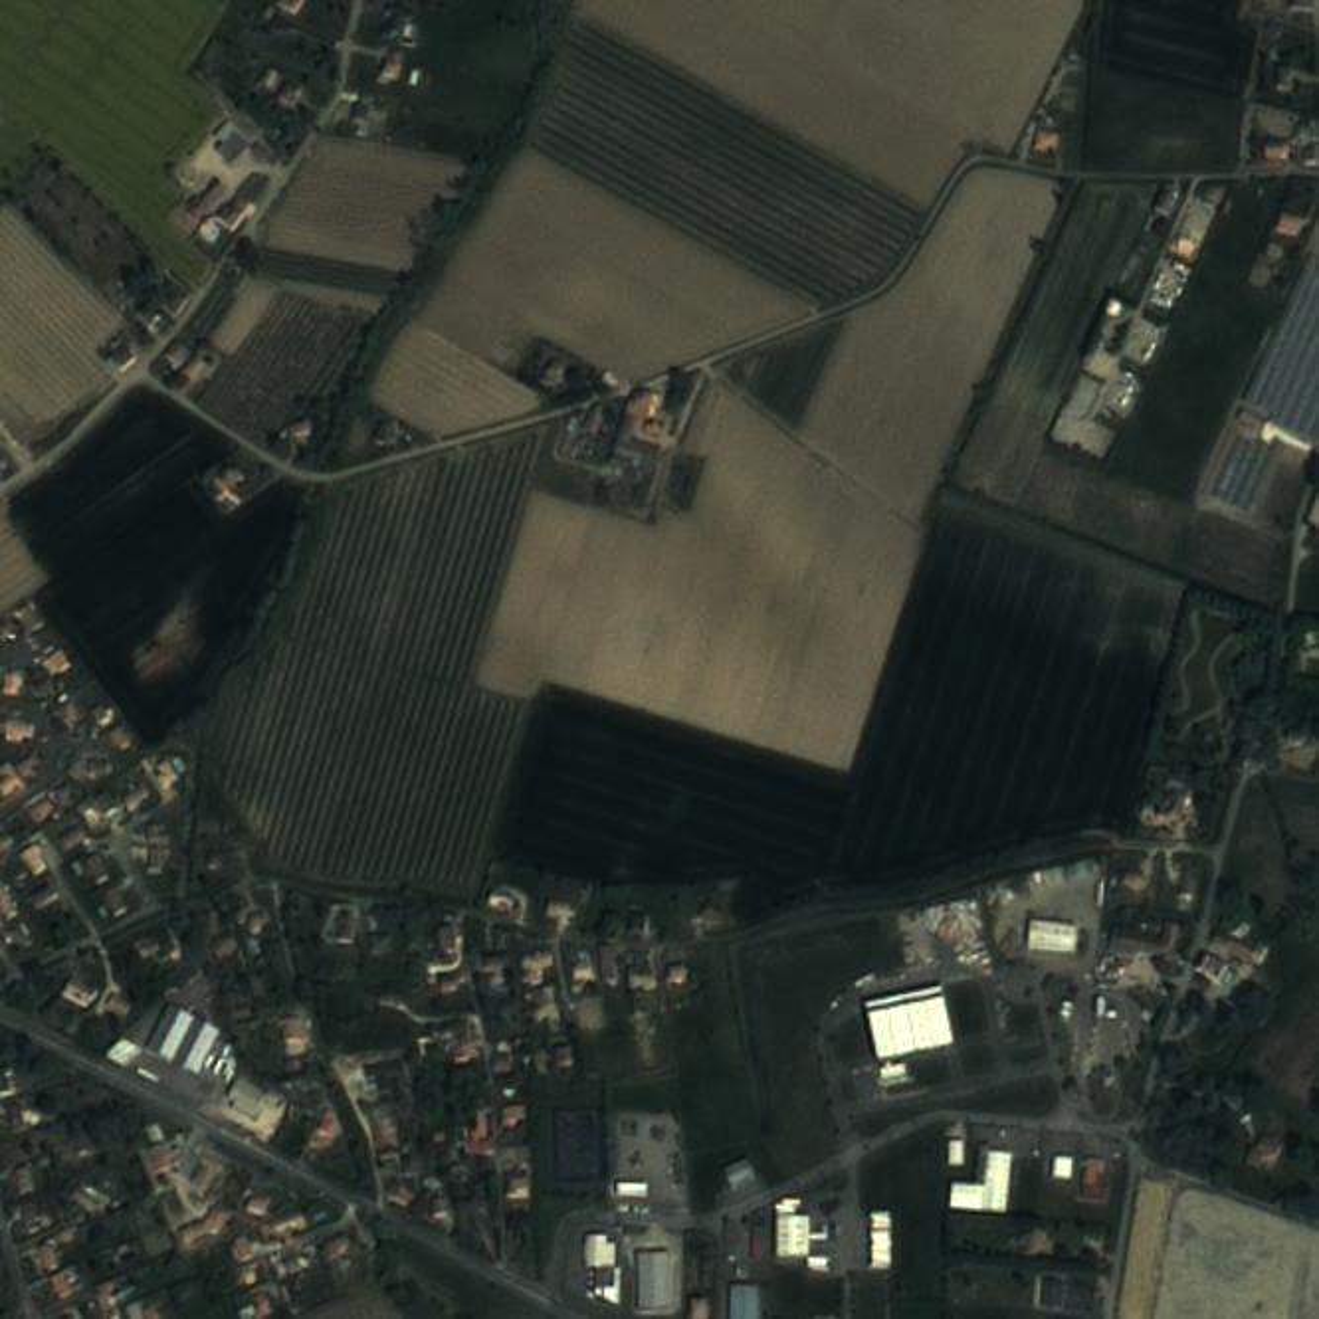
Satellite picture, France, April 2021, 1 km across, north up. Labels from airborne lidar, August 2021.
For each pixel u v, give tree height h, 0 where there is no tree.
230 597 0
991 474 0
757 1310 0
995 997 0
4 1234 0
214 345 9
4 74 0
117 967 7
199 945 19
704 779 0
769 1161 0
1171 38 0
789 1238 0
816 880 0
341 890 0
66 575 0
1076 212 0
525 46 0
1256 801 0
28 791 0
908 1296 7
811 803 0
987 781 0
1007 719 0
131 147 0
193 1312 0
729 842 0
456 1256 0
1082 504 0
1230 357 0
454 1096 16
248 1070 16
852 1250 0
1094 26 12
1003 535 0
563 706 0
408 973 8
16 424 0
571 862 0
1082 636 0
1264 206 0
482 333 0
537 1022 8
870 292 0
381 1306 0
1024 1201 0
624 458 0
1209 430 0
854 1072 0
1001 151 0
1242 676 6
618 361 0
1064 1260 9
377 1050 0
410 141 0
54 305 0
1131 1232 0
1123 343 6
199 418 0
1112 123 0
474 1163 15
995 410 0
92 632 0
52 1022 6
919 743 0
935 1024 0
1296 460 0
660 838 0
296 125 7
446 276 0
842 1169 6
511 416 0
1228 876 0
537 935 0
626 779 0
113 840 0
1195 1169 19
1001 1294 0
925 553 0
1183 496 0
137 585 0
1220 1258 0
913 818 0
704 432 0
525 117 8
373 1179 14
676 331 0
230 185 0
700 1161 0
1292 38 8
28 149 0
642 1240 0
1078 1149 0
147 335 7
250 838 14
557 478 0
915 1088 0
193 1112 0
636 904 0
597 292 0
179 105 0
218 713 14
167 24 0
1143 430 0
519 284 0
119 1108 10
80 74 0
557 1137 0
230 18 0
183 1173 0
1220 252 0
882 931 0
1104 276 0
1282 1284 0
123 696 0
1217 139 0
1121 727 0
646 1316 0
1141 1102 0
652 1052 0
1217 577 0
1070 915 0
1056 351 0
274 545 0
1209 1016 20
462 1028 10
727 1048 0
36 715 0
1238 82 0
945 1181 0
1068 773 0
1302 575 0
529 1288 0
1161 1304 0
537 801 0
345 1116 9
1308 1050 0
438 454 0
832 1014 0
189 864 9
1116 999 0
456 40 0
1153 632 0
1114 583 0
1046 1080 0
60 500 0
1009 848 0
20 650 0
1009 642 0
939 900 0
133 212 0
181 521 0
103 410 0
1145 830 12
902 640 0
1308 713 9
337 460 5
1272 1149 0
